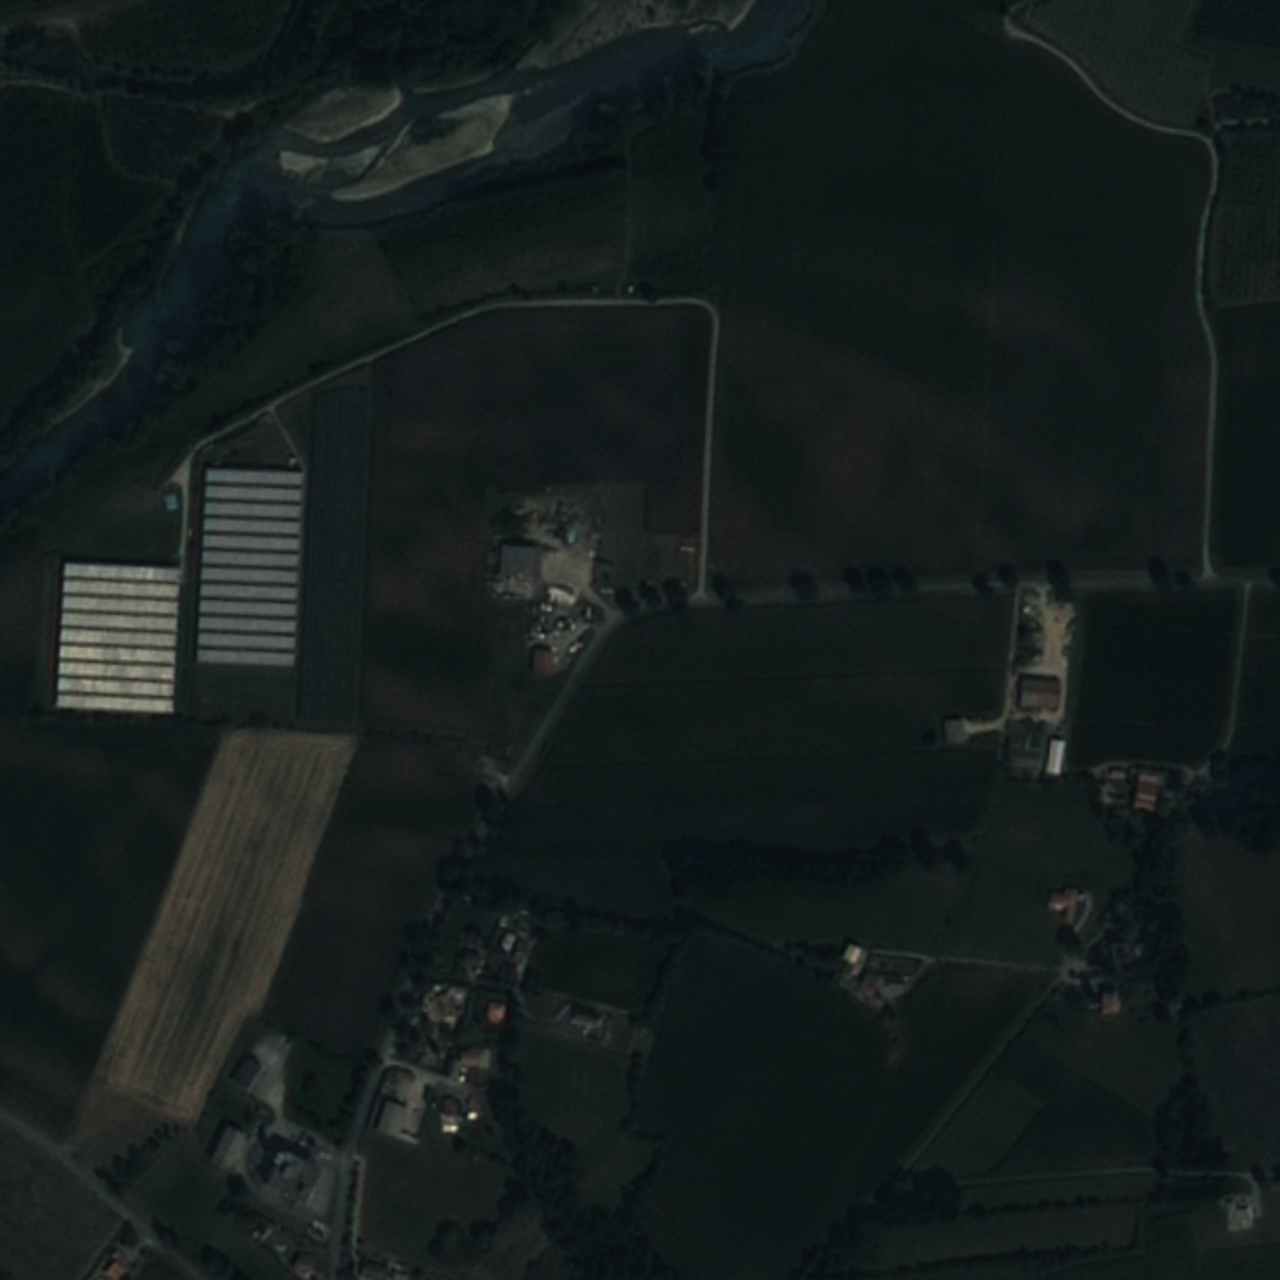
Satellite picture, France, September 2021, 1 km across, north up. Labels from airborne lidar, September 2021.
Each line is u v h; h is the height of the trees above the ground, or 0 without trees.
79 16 0
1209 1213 0
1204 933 0
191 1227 0
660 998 6
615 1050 0
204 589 0
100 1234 0
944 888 0
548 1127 0
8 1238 0
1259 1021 0
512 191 16
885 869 6
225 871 0
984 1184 0
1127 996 12
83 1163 0
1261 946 0
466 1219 0
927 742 11
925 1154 0
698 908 0
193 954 0
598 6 0
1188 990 0
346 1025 0
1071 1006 10
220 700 0
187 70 8
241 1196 10
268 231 29
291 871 0
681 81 20
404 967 12
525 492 0
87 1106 0
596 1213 8
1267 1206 0
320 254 0
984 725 0
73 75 7
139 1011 0
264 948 0
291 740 0
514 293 7
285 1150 0
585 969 0
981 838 0
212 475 0
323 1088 0
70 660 0
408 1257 0
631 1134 6
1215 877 0
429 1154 0
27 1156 0
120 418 25
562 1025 0
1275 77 0
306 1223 0
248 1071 0
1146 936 16
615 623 0
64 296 0
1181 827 9
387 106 0
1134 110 0
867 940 0
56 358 0
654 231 0
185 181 11
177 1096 0
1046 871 0
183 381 15
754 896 0
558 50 0
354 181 0
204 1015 0
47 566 0
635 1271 21
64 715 8
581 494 0
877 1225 14
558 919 13
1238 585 0
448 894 15
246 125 14
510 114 0
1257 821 25
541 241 0
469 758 0
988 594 14
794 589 13
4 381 0
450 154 0
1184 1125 16
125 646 0
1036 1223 0
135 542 0
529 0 25
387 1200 0
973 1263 6
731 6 0
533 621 0
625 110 13
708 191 11
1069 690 0
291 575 0
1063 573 15
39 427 20
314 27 17
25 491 16
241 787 0
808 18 0
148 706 0
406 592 0
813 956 11
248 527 0
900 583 15
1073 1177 0
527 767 0
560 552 0
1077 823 0
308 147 0
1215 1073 0
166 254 7
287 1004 0
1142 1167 0
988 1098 0
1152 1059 0
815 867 12
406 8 21
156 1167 0
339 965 0
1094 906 0
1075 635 0
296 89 8
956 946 0
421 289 0
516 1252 0
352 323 0
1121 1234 0
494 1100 15
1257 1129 0
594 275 0
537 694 0
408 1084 0
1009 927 0
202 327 10
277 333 0
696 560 0
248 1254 0
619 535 0
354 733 0
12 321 0
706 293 0
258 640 0
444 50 19
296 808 0
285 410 0
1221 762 8
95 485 0
